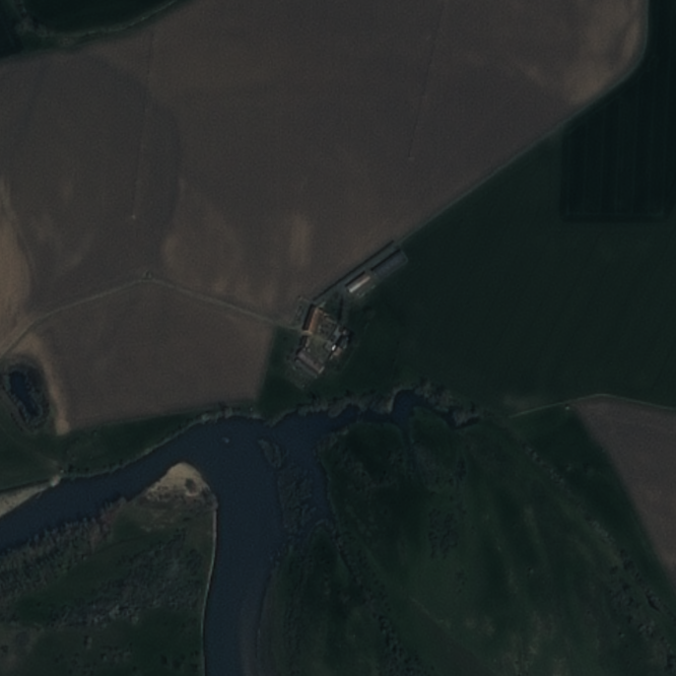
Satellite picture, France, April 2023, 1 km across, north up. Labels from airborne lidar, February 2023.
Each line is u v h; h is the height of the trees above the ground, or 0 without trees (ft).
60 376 0
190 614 0
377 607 0
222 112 0
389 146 0
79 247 0
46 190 0
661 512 0
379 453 0
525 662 0
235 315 0
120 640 0
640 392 0
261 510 0
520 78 0
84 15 0
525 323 0
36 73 0
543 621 0
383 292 0
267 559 0
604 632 0
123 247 0
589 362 0
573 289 0
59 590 0
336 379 0
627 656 0
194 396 0
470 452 0
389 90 0
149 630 0
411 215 0
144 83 0
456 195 0
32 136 0
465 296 0
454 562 0
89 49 0
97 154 0
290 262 0
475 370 0
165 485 0
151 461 0
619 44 0
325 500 0
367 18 0
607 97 0
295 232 0
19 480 0
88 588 0
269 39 0
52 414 21
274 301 0
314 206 0
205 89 0
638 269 0
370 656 0
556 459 0
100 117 0
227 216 0
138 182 0
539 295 0
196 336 0
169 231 0
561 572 0
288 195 0
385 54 0
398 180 0
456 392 0
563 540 0
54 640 0
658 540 0
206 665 0
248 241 0
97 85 0
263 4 0
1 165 0
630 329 0
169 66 0
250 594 0
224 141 0
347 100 0
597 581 0
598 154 0
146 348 0
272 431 0
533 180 0
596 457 0
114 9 0
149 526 0
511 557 0
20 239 0
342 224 0
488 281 0
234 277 0
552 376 0
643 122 0
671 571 0
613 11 0
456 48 0
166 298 0
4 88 0
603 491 0
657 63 0
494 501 0
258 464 0
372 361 0
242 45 0
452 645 0
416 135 0
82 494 0
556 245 0
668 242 0
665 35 0
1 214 0
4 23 0
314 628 0
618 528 0
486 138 0
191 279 0
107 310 0
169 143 0
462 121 0
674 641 0
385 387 0
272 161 0
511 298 0
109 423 0
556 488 0
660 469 0
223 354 0
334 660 0
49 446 0
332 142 0
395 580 0
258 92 0
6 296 0
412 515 0
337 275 0
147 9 0
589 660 0
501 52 0
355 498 0
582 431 0
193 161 0
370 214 0
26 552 79
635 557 0
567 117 0
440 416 0
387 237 0
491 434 0
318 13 0
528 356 0
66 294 0
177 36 0
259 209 0
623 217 0
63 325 0
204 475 0
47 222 0
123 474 0
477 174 0
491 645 0
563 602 0
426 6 0
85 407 0
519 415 0
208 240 0
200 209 0
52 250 0
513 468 0
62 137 0
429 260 0
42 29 87
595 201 0
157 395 0
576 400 0
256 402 0
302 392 0
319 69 0
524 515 0
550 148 0
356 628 0
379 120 0
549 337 0
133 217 0
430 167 0
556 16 0
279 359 0
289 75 0
